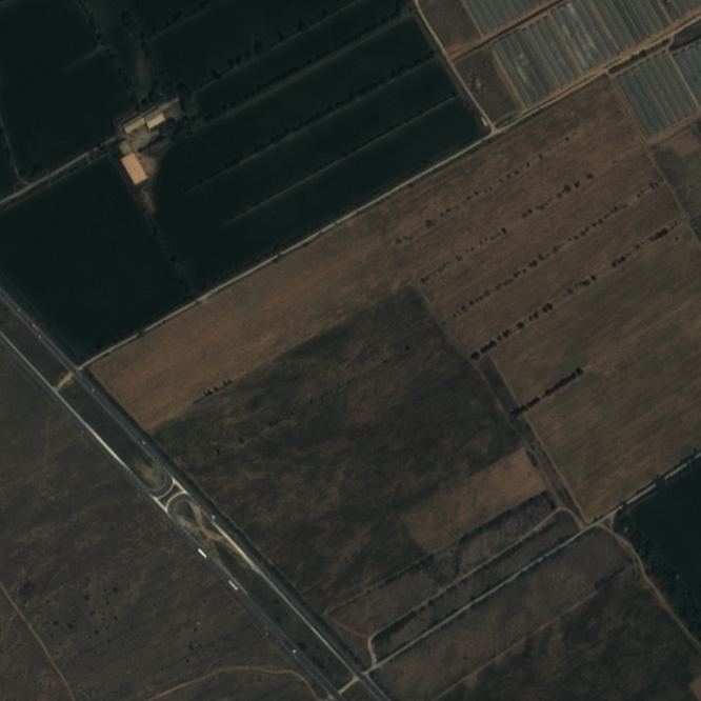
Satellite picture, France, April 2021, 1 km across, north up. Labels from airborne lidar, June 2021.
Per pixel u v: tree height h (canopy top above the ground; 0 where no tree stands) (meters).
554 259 0
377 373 0
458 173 0
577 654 0
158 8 0
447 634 0
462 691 0
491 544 0
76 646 0
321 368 0
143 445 0
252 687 0
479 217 0
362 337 0
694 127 0
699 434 0
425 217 0
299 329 0
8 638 0
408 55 0
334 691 0
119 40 0
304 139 0
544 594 0
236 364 0
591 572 0
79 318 0
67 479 0
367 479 0
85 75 0
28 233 0
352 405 0
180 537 0
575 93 0
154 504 0
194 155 0
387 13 0
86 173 0
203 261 0
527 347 0
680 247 0
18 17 0
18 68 0
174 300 0
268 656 0
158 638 0
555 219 0
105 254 0
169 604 0
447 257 0
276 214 0
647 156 0
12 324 0
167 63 0
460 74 0
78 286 0
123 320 0
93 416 0
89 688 0
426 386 0
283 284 0
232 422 0
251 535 0
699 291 0
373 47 0
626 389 0
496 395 0
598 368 0
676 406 0
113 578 0
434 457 0
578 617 0
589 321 0
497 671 0
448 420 0
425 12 0
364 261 0
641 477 0
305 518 0
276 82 9
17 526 0
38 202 0
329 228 0
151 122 0
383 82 7
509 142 0
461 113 0
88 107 0
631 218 0
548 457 0
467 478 0
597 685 0
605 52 0
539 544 0
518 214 0
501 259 0
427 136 0
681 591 6
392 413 0
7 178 0
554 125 0
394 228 0
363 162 0
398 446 0
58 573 0
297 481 0
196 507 0
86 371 0
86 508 0
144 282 0
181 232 0
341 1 0
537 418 0
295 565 0
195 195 0
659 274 0
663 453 0
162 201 0
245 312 0
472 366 0
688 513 0
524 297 0
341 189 0
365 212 0
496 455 0
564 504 0
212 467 0
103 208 0
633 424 0
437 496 0
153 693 0
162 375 0
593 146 0
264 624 0
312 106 0
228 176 0
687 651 0
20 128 0
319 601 0
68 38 0
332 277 0
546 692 0
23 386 0
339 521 0
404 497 0
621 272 0
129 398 0
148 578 0
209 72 0
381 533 0
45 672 0
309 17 0
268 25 0
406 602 0
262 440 0
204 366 0
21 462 0
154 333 0
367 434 0
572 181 0
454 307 0
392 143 0
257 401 0
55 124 0
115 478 0
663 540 0
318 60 6
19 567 0
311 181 0
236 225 0
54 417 0
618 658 0
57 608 0
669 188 0
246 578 0
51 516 0
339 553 0
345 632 0
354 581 0
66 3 0
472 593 0
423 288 0
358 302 0
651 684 0
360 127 0
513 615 0
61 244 0
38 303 0
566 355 0
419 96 0
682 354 0
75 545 0
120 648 0
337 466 0
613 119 0
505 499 0
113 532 0
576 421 0
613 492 0
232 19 0
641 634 0
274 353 0
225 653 0
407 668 0
